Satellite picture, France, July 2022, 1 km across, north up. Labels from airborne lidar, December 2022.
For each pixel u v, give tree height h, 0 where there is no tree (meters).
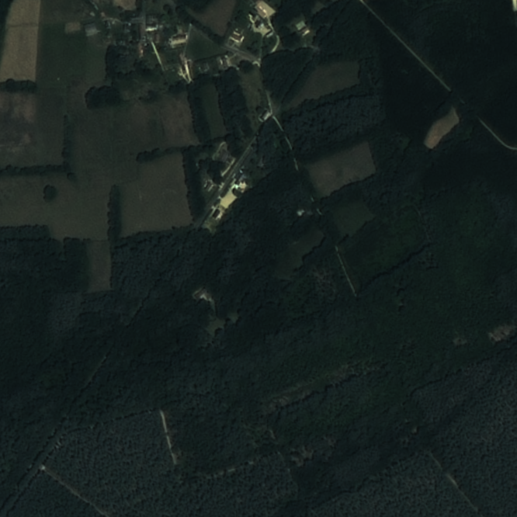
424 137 12
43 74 0
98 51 0
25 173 14
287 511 14
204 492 23
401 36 8
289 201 25
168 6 9
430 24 6
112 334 18
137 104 0
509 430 18
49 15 0
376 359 7
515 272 22
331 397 23
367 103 29
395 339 20
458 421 20
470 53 6
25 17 0
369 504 22
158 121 0
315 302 18
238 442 24
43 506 25
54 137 0
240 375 24
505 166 11
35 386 25
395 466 12
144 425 19
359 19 17
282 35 17
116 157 0
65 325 22
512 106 7
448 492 23
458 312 14
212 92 0
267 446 16
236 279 14
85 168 0
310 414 19
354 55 14
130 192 0
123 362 21
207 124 13
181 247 14
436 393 23
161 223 0
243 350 17
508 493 22
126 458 23
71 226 0
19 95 0
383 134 14
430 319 17
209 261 15
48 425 22
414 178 25
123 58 19
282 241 17
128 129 0
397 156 18
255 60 0
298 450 19
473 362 17
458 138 15
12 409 26
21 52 0
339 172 0
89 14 0
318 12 0
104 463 21
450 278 17
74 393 22
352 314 21
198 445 12
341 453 25
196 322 23
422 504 18
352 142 17
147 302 18
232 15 0
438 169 17
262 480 21
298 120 22
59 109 0
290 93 11
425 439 24
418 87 8
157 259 10
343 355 14
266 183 15
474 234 11
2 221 0
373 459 25
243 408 13
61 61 0
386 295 22
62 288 18
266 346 19
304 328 21
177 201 0
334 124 25
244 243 26
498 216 16
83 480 25
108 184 0
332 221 16
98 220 0
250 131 19
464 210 9
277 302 15
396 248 0
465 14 6
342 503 22
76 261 18
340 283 16
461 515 19
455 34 5
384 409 12
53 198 12
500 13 7
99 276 0
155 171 0
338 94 8
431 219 18
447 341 15
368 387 26
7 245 20
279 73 11
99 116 0
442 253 16
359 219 0
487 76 11
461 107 18
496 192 12
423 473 24
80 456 18
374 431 22
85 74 0
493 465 22
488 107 9
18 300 14
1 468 24
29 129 0
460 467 18
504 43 9
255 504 22
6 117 0
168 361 9
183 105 0
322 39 17
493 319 16
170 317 17
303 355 15
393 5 9
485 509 20
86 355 20
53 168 9
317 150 11
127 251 25
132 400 21
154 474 24
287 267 0
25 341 17
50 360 16
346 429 14
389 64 11
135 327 16
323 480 7
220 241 10
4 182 0
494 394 20
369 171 0
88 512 25
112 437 21
